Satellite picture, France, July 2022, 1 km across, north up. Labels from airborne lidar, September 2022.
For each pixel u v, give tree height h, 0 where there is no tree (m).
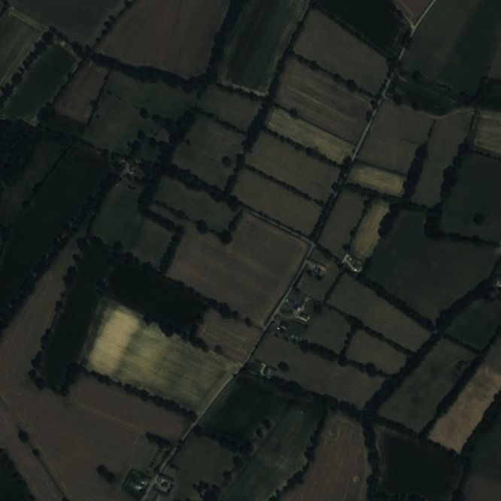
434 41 0
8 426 0
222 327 0
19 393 0
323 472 0
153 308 0
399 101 16
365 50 0
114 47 0
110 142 0
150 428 0
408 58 0
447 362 0
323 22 0
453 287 0
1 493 0
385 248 0
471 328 0
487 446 0
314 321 0
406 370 12
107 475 16
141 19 0
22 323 0
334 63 0
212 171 0
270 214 0
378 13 0
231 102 0
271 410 0
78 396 0
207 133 0
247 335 0
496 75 0
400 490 0
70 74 11
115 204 0
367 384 0
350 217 0
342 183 7
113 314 0
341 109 0
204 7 0
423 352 12
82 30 0
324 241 0
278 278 0
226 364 0
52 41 15
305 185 0
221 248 0
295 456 0
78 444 0
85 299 0
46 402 0
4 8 8
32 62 13
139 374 0
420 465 0
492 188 0
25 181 0
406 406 0
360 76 0
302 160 0
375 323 0
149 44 0
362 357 0
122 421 0
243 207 11
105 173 0
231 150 0
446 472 0
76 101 0
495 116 0
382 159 0
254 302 0
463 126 0
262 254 0
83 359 0
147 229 0
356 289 0
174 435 0
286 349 0
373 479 17
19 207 0
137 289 0
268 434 0
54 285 0
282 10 0
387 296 9
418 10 0
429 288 0
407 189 21
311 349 17
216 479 0
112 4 0
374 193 8
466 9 0
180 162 0
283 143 9
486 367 0
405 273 0
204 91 20
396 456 0
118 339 0
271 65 0
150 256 0
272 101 13
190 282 0
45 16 0
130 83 0
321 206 12
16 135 8
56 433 0
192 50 0
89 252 0
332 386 0
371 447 21
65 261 0
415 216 0
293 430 0
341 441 0
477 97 11
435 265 0
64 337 0
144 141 18
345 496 0
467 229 0
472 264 0
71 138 8
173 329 18
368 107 0
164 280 10
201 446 0
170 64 0
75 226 15
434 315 0
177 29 0
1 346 0
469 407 0
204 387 0
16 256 0
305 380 0
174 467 7
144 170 16
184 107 0
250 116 0
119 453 0
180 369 0
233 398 0
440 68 0
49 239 0
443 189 17
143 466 0
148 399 16
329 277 0
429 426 13
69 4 0
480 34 0
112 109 0
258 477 0
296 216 0
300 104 0
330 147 0
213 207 0
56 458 0
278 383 15
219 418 0
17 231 0
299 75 0
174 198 0
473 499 0
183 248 0
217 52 22
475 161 0
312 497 0
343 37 0
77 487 0
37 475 0
